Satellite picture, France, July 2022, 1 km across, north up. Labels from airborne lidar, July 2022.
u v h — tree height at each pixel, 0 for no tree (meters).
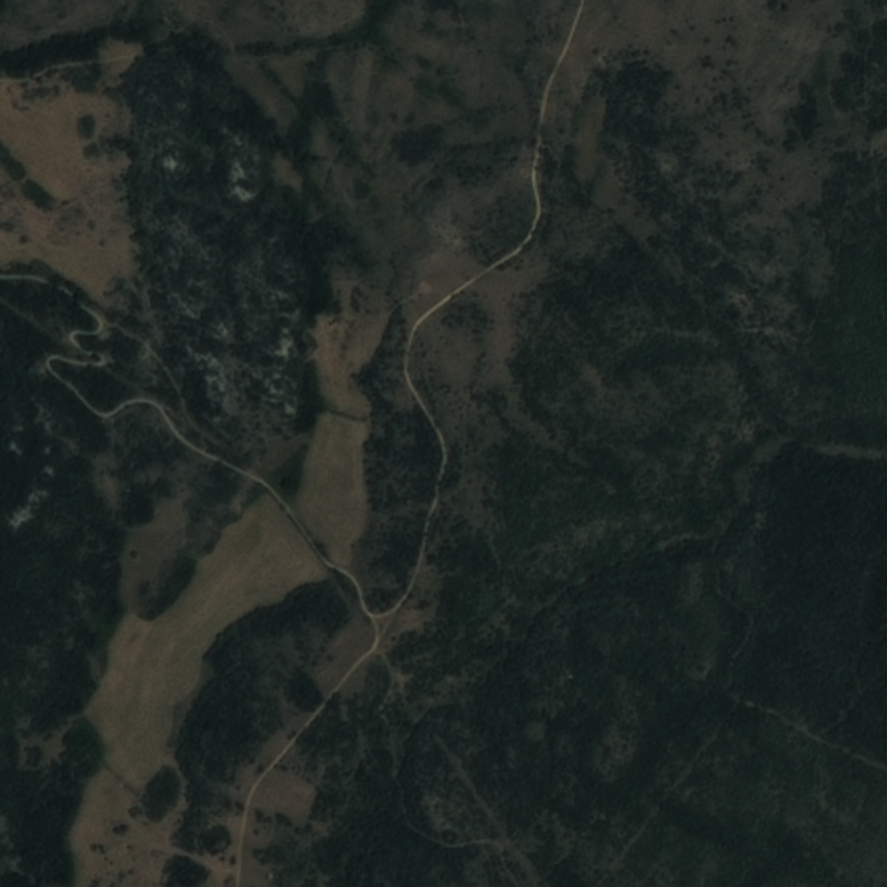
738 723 7
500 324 0
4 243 0
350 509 0
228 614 0
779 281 6
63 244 0
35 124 0
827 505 7
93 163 0
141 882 0
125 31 8
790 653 6
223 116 8
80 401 8
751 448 7
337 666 0
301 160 8
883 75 6
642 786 6
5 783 7
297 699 6
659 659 5
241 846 0
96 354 9
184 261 5
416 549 8
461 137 0
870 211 6
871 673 7
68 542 7
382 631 0
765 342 6
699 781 7
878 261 7
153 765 0
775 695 7
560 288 7
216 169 9
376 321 0
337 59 0
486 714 6
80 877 0
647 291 7
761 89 0
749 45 0
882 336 6
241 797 0
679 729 5
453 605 6
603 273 9
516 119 0
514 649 7
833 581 7
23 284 8
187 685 0
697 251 7
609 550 6
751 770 7
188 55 8
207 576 0
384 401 6
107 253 0
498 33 0
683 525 9
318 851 6
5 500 7
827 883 6
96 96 0
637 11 0
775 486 6
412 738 7
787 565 7
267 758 0
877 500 9
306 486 0
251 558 0
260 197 6
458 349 0
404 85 0
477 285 0
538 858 6
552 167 6
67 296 11
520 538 6
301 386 7
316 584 6
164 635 0
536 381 6
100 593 7
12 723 7
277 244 7
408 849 7
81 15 0
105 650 0
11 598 6
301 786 0
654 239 8
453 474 5
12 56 15
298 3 0
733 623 7
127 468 6
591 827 6
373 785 6
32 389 7
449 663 8
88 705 0
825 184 6
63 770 9
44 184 0
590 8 0
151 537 0
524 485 6
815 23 0
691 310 6
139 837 0
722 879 6
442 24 0
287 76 0
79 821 0
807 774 6
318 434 0
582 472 7
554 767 6
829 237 7
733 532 7
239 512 0
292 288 6
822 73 0
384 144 0
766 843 7
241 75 0
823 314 6
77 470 8
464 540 6
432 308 0
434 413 6
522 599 8
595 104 0
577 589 8
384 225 0
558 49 0
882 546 7
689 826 6
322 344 0
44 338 6
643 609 6
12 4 0
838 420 6
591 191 9
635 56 7
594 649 6
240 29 0
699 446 6
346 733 7
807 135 7
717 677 6
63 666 7
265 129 7
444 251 0
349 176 0
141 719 0
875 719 6
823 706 6
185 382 6
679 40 0
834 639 6
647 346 6
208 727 7
